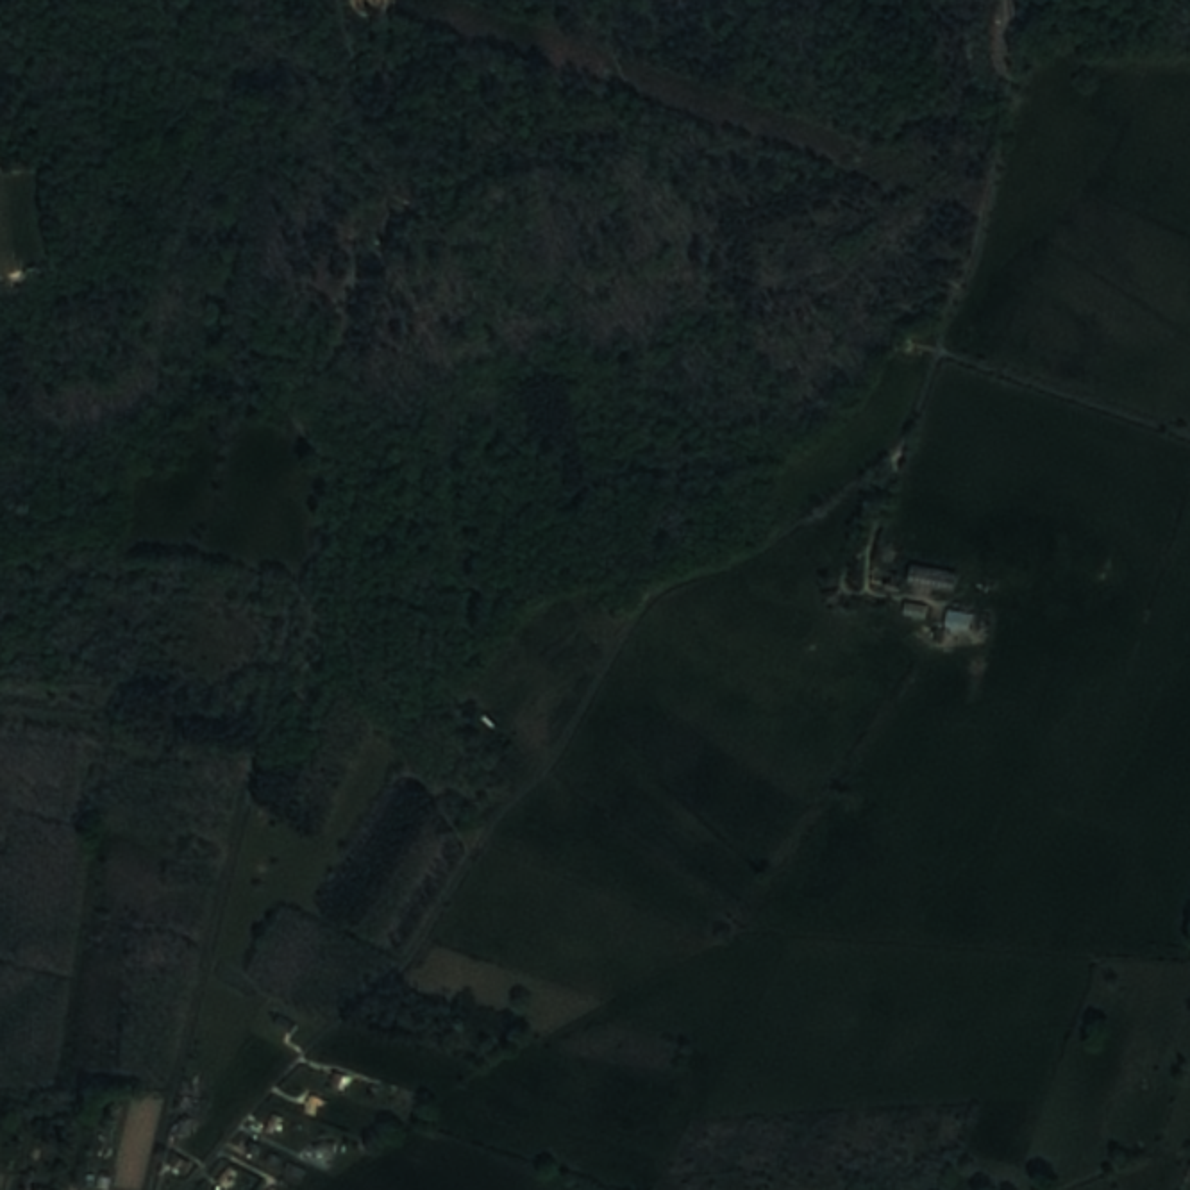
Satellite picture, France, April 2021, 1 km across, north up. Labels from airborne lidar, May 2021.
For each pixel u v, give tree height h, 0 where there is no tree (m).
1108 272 0
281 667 12
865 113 14
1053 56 23
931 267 9
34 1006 15
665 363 20
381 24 15
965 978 0
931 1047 0
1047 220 0
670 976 0
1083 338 0
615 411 19
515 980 0
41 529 18
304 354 14
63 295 12
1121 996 9
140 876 0
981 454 0
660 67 21
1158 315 0
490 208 17
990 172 7
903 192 10
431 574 27
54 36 14
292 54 9
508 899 0
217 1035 0
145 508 0
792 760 0
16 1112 11
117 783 10
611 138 10
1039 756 0
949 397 0
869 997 0
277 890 0
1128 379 0
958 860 0
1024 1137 0
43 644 15
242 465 0
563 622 0
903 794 0
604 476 17
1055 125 0
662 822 0
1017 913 0
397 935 15
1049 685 0
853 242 7
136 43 16
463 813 14
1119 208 0
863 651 0
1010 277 0
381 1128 12
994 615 0
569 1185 11
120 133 15
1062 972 0
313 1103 0
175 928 9
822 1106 0
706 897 0
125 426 19
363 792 0
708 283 6
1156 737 0
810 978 0
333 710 14
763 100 14
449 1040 14
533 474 21
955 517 0
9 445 17
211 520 0
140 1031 16
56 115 20
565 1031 0
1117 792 0
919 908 0
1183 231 0
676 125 16
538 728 0
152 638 6
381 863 17
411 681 25
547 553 26
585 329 15
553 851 0
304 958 16
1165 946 0
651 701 0
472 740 15
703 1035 0
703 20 22
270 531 0
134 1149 0
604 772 0
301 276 18
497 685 0
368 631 25
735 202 11
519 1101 0
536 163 6
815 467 0
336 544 21
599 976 0
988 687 0
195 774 11
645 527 27
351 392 15
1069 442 0
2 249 0
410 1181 0
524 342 12
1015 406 0
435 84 19
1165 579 0
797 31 16
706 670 0
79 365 14
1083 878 0
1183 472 0
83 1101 13
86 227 16
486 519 26
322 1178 0
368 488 23
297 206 9
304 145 9
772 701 0
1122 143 0
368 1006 22
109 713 7
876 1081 0
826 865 0
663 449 16
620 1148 0
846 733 0
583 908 0
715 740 0
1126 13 16
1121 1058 0
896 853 0
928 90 12
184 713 18
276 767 18
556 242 15
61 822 13
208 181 10
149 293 18
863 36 17
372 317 24
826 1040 0
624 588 19
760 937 0
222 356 22
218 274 27
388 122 25
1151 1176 0
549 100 21
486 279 19
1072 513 0
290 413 15
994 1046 0
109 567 8
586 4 18
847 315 10
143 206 13
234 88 17
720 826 0
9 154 15
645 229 13
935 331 12
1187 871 0
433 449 19
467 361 15
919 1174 10
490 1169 0
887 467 15
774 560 0
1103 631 0
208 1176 0
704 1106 0
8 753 14
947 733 0
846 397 22
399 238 11
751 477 22
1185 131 0
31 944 16
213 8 22
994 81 8
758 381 15
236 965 0
